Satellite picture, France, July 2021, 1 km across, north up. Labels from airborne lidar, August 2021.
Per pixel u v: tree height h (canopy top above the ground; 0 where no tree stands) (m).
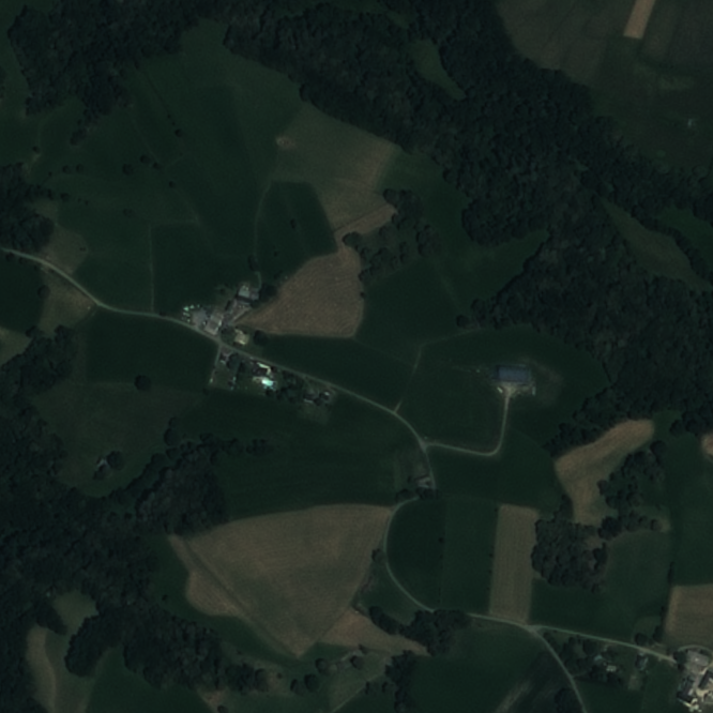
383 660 0
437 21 30
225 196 0
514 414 0
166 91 0
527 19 0
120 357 0
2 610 25
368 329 0
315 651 0
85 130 7
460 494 0
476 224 29
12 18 0
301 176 0
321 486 0
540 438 0
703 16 0
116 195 0
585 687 0
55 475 23
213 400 0
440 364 0
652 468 19
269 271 0
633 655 0
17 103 0
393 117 20
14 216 26
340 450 0
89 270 0
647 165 9
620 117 0
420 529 0
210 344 0
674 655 9
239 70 0
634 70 0
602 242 25
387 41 24
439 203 0
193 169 0
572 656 8
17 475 25
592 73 0
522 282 24
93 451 0
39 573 23
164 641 21
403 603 0
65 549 26
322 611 0
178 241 0
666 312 22
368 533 0
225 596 0
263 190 0
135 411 0
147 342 0
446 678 0
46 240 14
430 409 0
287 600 0
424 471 0
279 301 0
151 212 0
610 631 0
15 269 0
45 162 0
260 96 0
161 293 0
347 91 22
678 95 0
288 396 20
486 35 23
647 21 0
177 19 27
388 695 7
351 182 0
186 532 17
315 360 0
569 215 18
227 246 0
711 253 0
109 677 0
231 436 0
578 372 0
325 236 0
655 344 22
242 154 0
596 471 0
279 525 0
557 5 0
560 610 0
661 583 0
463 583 0
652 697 0
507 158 27
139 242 0
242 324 0
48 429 26
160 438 0
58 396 0
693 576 0
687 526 0
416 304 0
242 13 27
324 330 0
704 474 0
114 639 24
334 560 0
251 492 0
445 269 0
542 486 0
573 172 21
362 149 0
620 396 18
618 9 0
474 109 22
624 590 0
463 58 20
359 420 0
